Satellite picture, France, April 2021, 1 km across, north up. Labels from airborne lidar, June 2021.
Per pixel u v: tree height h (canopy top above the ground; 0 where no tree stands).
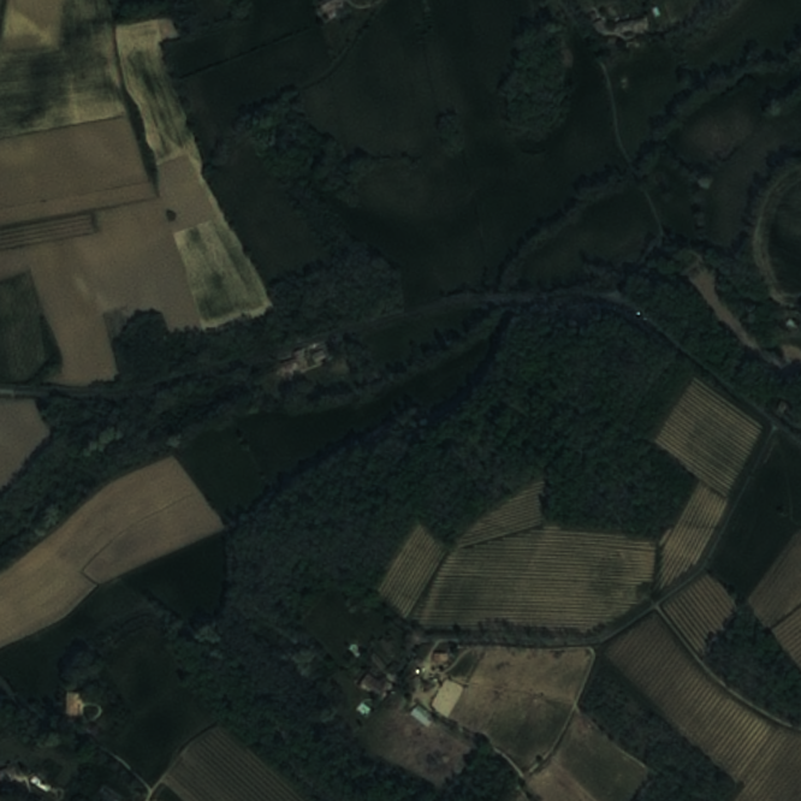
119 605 0
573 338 24
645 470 23
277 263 0
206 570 0
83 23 0
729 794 13
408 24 0
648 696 0
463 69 0
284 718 22
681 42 9
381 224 0
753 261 17
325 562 21
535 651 11
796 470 0
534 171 0
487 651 12
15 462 0
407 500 21
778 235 0
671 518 9
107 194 0
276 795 0
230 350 12
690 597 0
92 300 0
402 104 0
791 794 0
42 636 0
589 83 0
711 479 0
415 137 0
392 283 15
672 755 16
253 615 18
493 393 24
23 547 16
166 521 0
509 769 24
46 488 18
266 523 23
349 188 16
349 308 19
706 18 18
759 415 0
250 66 0
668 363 22
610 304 10
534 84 16
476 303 0
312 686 21
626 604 0
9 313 0
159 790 0
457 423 19
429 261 0
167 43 6
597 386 24
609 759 0
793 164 20
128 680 0
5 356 0
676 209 0
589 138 0
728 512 0
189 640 22
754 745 0
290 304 21
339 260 16
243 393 15
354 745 20
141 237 0
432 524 15
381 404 0
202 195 0
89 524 0
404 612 0
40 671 0
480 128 0
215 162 12
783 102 20
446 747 0
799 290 0
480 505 20
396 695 7
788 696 17
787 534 0
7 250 0
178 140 0
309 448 0
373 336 0
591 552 0
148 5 17
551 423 6
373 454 26
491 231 0
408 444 26
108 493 0
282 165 21
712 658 16
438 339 0
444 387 0
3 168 0
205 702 21
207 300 0
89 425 10
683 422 0
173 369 16
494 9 0
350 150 0
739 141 0
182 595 0
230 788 0
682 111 17
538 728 0
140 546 0
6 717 24
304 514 23
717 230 0
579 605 0
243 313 0
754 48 15
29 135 0
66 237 0
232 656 19
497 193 0
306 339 13
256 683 24
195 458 0
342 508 22
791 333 21
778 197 0
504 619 0
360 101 0
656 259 14
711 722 0
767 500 0
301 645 11
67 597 0
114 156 0
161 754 0
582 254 0
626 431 14
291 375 0
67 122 0
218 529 0
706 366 16
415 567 0
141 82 0
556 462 15
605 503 22
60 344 0
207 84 0
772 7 0
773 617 0
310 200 8
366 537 22
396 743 0
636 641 0
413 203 0
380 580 12
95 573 0
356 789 21
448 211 0
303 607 15
